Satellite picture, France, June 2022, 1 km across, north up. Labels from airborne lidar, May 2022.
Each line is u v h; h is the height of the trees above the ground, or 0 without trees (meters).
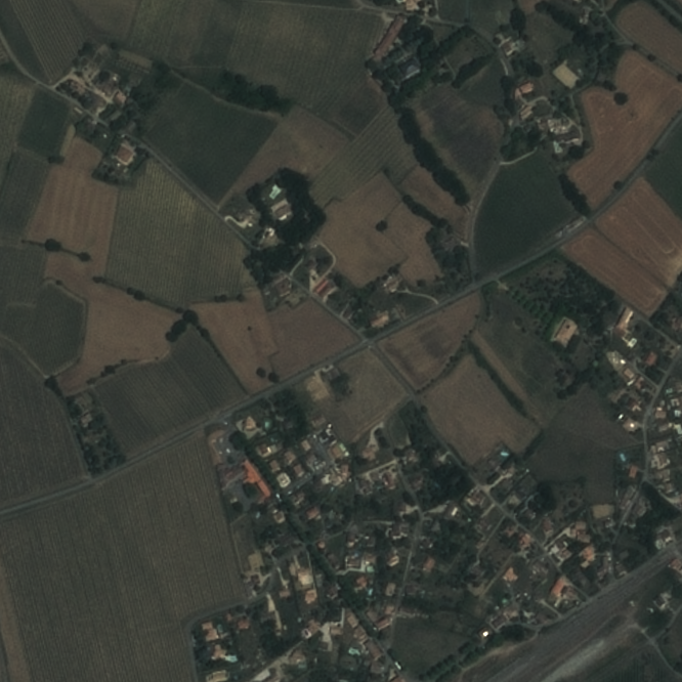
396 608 0
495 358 0
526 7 0
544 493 13
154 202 0
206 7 0
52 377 10
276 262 14
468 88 0
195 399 0
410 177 0
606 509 0
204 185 0
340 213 0
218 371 0
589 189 0
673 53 0
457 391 0
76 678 0
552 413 0
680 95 0
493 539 0
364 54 0
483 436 0
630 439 0
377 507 11
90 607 0
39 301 0
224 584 0
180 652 0
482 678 0
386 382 0
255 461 20
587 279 7
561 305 11
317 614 12
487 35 0
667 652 5
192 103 0
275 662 0
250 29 0
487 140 0
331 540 0
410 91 14
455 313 0
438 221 14
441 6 0
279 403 9
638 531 8
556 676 0
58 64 0
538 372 0
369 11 0
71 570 0
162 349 0
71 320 0
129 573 0
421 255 0
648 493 10
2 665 0
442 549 8
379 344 0
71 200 0
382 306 0
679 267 0
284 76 0
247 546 0
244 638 0
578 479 6
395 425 0
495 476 13
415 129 19
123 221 0
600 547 6
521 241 0
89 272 0
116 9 0
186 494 0
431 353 0
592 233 0
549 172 0
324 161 0
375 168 0
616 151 0
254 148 0
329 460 0
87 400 0
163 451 0
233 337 0
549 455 0
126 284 0
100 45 0
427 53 15
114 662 0
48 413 0
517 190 0
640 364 6
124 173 0
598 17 8
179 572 0
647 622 0
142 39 0
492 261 0
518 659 0
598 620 0
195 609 0
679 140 0
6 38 0
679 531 6
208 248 0
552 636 0
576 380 7
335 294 6
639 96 0
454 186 20
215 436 0
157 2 0
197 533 0
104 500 0
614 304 12
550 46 0
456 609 6
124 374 0
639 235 0
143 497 0
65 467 0
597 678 0
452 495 14
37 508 0
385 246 0
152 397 0
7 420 0
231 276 0
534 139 13
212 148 0
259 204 17
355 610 16
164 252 0
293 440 6
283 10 0
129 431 0
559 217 0
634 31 0
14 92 0
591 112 0
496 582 0
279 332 0
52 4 0
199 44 0
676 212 0
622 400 6
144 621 0
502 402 0
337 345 0
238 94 7
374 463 0
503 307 0
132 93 6
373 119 0
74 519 0
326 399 0
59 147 0
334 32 0
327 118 0
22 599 0
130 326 0
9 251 0
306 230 16
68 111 0
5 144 0
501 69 0
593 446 0
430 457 8
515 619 8
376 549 6
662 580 0
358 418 0
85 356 0
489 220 0
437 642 0
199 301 0
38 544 0
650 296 0
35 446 0
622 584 0
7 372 0
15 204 0
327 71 0
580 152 18
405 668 15
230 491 0
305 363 0
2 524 0
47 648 0
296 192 20
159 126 0
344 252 0
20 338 0
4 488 0
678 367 0
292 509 20
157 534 0
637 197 0
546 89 0
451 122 0
